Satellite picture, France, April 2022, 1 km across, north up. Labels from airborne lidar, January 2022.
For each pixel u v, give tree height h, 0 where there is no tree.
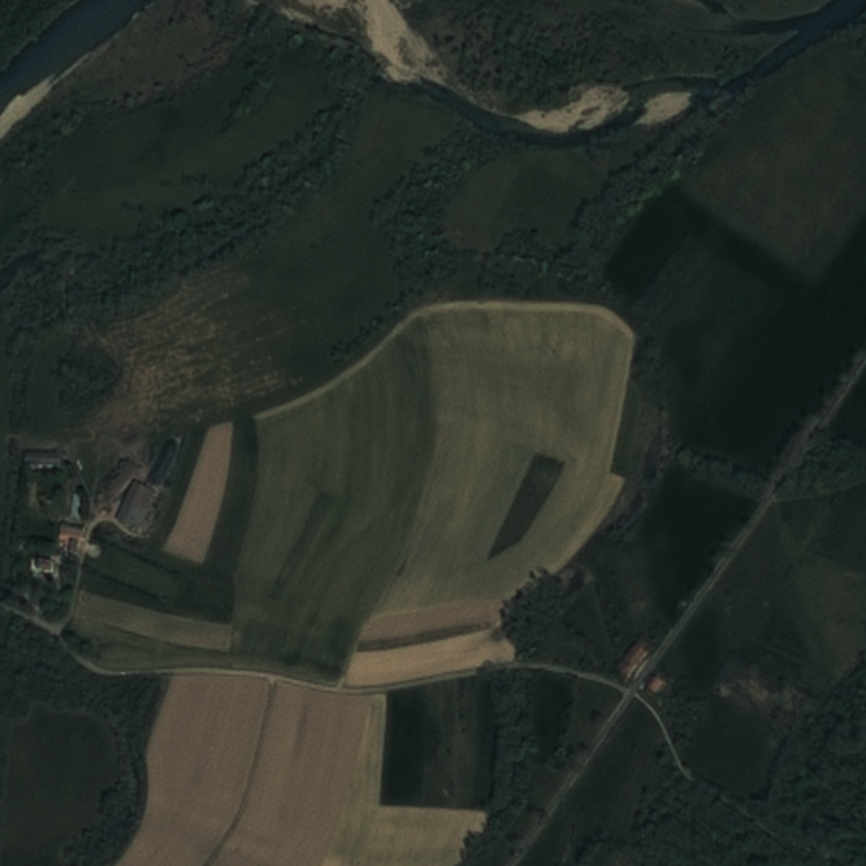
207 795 0
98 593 0
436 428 0
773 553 0
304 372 0
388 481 0
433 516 0
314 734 0
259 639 0
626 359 0
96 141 0
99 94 0
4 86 0
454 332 0
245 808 0
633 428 0
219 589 0
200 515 0
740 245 0
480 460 0
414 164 0
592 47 9
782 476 19
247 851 0
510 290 12
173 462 0
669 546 0
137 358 0
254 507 0
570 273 16
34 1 14
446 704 0
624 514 0
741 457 0
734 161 0
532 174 0
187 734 0
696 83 0
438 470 0
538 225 0
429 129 0
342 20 0
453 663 0
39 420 0
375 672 0
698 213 0
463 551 0
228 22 13
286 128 0
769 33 0
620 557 0
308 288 0
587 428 0
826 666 0
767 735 0
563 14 0
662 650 0
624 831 0
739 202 0
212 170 0
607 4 0
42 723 0
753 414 0
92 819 0
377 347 0
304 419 0
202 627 0
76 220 0
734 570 0
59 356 0
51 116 8
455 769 0
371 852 0
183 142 0
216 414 0
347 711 0
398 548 0
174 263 24
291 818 0
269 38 22
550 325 0
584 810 0
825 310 0
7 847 0
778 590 0
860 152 0
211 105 0
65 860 0
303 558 0
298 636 0
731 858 27
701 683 0
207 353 0
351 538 0
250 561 0
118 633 0
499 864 0
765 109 0
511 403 0
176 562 0
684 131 23
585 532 0
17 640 14
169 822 0
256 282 0
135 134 0
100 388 20
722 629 0
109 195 0
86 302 20
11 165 8
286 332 0
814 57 0
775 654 0
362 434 0
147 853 0
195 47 0
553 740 0
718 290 0
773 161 0
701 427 0
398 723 0
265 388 0
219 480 0
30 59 0
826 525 0
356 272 0
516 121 0
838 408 19
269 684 0
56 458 0
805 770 24
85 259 11
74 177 0
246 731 0
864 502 0
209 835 0
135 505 0
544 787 0
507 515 0
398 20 0
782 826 26
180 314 0
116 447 0
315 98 0
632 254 0
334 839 0
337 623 0
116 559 0
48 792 0
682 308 0
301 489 0
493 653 0
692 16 0
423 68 0
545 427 0
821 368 0
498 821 16
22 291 10
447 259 17
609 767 0
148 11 0
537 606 19
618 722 0
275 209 18
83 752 0
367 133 0
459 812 0
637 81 0
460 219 0
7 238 0
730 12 0
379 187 0
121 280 19
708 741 0
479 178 0
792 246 0
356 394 0
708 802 22
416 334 0
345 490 0
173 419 0
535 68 12
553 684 0
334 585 0
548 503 0
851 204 0
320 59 16
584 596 0
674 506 0
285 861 0
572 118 0
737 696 0
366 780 0
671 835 23
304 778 0
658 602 0
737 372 0
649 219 0
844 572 0
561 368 0
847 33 18
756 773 0
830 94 0
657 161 21
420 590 0
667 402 0
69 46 0
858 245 0
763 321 0
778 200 0
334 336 0
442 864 0
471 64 8
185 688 0
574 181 0
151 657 0
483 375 0
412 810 0
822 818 0
